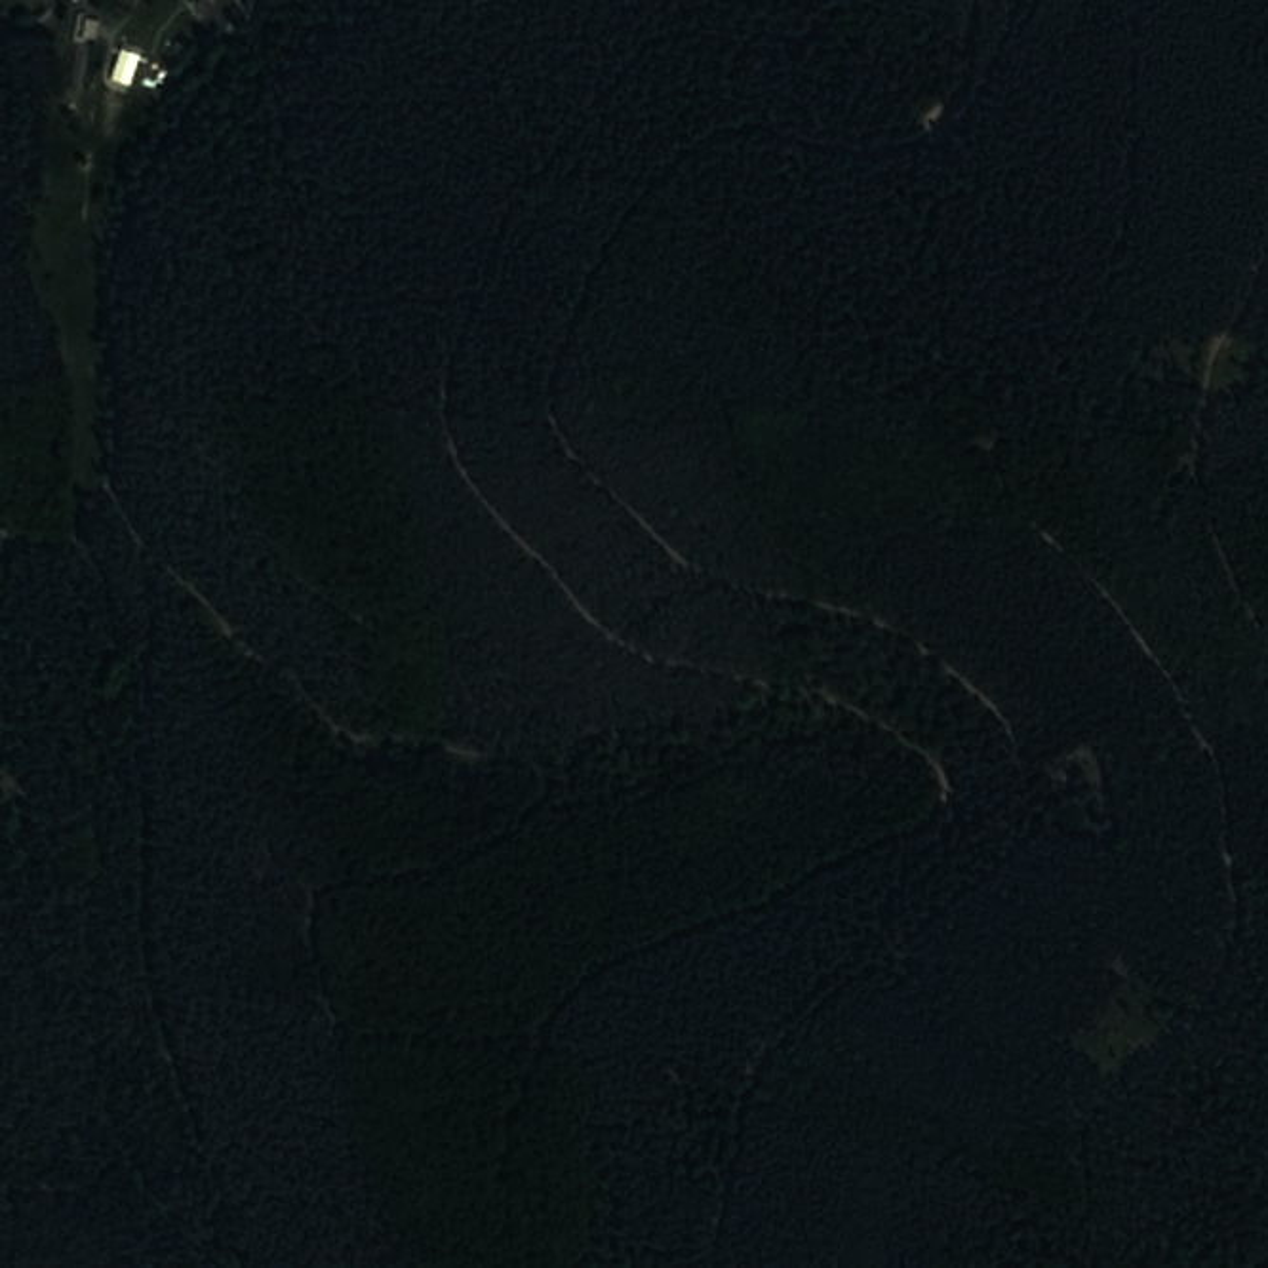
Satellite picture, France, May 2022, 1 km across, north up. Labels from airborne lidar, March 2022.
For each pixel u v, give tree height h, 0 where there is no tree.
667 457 16
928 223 32
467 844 21
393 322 23
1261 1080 19
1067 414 22
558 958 0
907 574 19
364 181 25
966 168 30
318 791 17
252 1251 25
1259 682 11
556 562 16
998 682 18
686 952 24
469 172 23
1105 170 24
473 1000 16
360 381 23
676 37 30
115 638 16
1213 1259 19
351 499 0
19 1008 35
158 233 33
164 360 28
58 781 19
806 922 28
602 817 20
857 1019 20
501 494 16
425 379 18
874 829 19
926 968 20
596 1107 17
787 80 29
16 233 22
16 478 0
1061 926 21
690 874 0
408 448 16
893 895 22
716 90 28
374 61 26
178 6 0
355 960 17
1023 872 22
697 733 23
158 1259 33
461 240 28
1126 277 17
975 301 32
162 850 33
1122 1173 19
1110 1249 18
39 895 29
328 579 0
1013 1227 26
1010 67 26
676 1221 19
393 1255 23
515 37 23
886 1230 16
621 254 14
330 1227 19
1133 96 19
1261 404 19
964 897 21
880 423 10
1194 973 21
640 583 15
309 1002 24
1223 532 13
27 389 0
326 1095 19
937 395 12
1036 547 19
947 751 23
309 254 26
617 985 19
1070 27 15
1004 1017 22
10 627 18
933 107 0
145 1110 24
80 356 0
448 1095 0
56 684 17
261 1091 25
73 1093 29
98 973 16
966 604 25
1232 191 17
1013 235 32
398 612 0
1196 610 16
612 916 0
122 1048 19
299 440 0
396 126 28
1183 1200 15
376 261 24
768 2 31
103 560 27
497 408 17
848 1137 22
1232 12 22
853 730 14
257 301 31
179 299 27
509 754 10
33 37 28
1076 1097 18
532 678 16
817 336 25
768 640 12
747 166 24
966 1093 23
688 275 15
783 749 23
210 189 24
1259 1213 16
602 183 24
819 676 16
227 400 0
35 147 29
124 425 30
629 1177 23
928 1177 19
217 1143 27
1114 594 14
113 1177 27
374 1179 0
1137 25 18
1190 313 18
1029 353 27
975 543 21
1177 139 20
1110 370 17
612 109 22
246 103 30
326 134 28
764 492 15
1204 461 18
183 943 30
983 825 22
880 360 23
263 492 0
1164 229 18
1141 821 15
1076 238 25
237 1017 26
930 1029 20
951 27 21
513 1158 0
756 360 18
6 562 22
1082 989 22
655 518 15
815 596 14
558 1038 23
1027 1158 20
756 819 0
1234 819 18
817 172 26
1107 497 15
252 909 24
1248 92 18
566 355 16
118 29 0
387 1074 0
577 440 16
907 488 16
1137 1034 0
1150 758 16
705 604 15
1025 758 20
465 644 19
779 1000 26
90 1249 29
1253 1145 19
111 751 21
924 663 17
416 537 20
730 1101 15
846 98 26
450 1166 0
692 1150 11
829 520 15
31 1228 24
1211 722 13
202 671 27
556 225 22
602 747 18
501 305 22
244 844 26
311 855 15
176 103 28
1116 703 23
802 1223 25
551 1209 0
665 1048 21
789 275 26
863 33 27
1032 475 17
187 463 27
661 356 14
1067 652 20
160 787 27
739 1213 22
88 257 0
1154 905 21
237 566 23
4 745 12
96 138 0
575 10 29
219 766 29
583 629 17
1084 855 19
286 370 28
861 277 28
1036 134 22
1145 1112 19
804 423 17
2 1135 32
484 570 19
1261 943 21
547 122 21
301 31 27
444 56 24
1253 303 21
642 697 17
